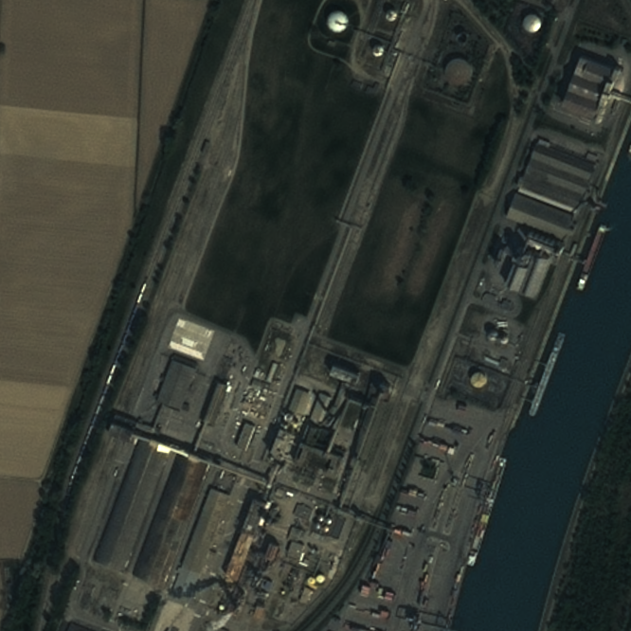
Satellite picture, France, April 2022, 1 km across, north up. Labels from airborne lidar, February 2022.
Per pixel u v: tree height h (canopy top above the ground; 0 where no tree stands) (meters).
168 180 0
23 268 0
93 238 0
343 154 0
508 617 0
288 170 0
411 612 0
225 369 0
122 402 0
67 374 0
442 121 0
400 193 0
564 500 0
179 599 0
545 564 0
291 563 0
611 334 0
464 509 0
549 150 0
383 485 0
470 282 0
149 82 0
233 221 0
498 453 0
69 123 0
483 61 0
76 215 0
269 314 0
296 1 0
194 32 0
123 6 0
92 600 0
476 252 0
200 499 0
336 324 0
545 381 0
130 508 0
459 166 0
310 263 0
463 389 0
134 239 15
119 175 0
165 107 0
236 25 0
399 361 0
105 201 0
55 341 0
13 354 0
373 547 0
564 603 14
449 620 0
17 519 0
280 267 0
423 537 0
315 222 0
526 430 0
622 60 0
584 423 0
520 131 0
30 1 0
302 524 0
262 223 0
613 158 0
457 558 0
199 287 0
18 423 0
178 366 0
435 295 0
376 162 0
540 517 0
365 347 0
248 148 0
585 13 0
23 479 0
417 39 0
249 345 0
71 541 0
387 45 0
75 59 0
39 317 0
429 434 0
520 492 0
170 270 0
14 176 0
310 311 0
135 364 0
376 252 0
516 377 0
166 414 0
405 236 0
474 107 0
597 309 0
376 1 0
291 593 0
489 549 0
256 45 0
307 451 0
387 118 0
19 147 0
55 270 0
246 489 0
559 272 0
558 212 0
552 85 12
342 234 0
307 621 0
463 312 0
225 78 0
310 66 0
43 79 0
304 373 0
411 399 0
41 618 0
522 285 0
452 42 0
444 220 0
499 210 0
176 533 0
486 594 0
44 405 0
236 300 0
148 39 0
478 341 0
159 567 0
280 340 0
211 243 0
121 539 0
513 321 0
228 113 0
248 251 0
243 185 0
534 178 0
